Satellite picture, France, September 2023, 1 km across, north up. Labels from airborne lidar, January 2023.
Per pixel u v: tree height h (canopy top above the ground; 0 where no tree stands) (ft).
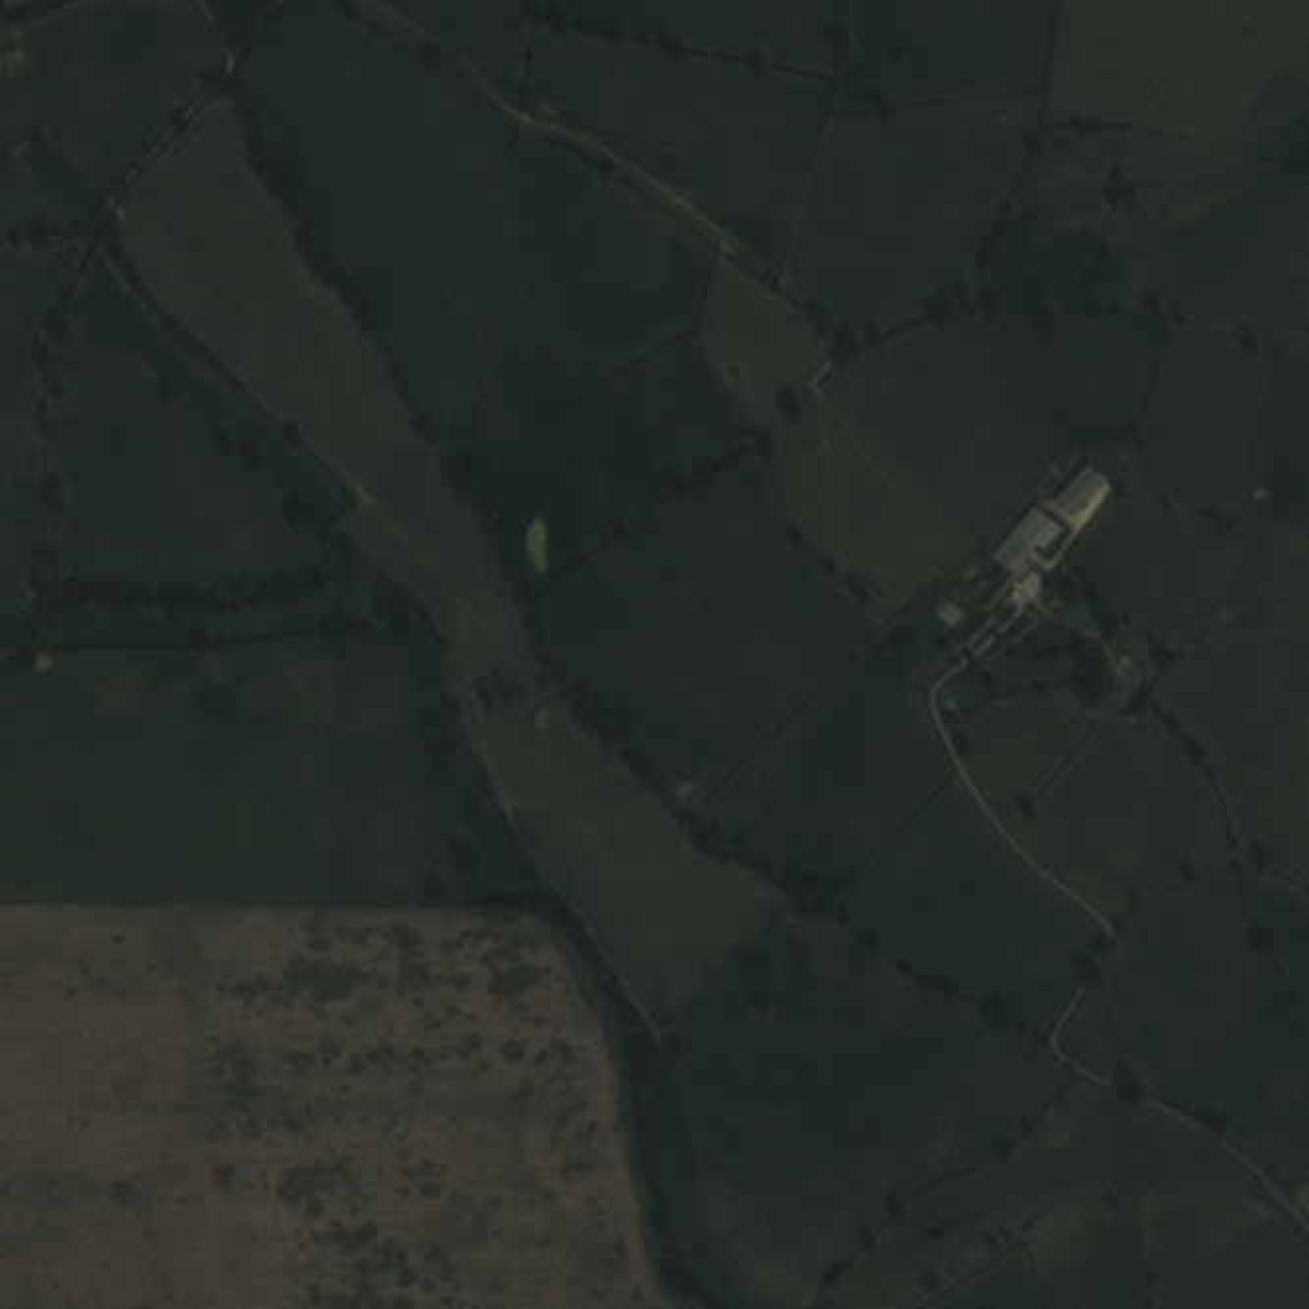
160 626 0
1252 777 0
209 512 0
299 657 0
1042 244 0
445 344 0
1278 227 0
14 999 0
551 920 42
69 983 0
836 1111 0
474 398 0
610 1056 0
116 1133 0
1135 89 0
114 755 0
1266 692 0
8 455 0
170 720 0
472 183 0
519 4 0
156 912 0
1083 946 0
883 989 0
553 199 0
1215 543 0
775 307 0
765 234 0
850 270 0
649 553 0
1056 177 0
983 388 0
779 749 0
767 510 0
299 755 0
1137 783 0
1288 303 0
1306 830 0
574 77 0
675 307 0
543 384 0
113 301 0
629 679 0
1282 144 0
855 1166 0
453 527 0
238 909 0
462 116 0
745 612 0
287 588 52
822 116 0
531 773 0
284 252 0
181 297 0
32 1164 0
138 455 0
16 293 0
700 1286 33
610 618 0
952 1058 0
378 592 0
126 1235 0
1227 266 0
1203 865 0
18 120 0
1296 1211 0
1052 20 23
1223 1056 0
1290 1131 0
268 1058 0
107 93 0
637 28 0
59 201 0
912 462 0
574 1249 0
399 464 0
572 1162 0
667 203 0
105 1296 0
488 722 0
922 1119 0
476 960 0
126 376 0
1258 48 0
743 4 0
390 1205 0
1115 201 29
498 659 0
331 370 0
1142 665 0
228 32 54
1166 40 0
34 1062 0
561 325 0
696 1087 0
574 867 0
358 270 0
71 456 0
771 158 0
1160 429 0
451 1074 0
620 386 0
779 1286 0
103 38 0
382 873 0
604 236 0
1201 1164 0
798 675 0
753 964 0
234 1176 0
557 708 0
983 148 0
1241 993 0
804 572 0
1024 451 0
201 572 0
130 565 0
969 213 0
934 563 0
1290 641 0
